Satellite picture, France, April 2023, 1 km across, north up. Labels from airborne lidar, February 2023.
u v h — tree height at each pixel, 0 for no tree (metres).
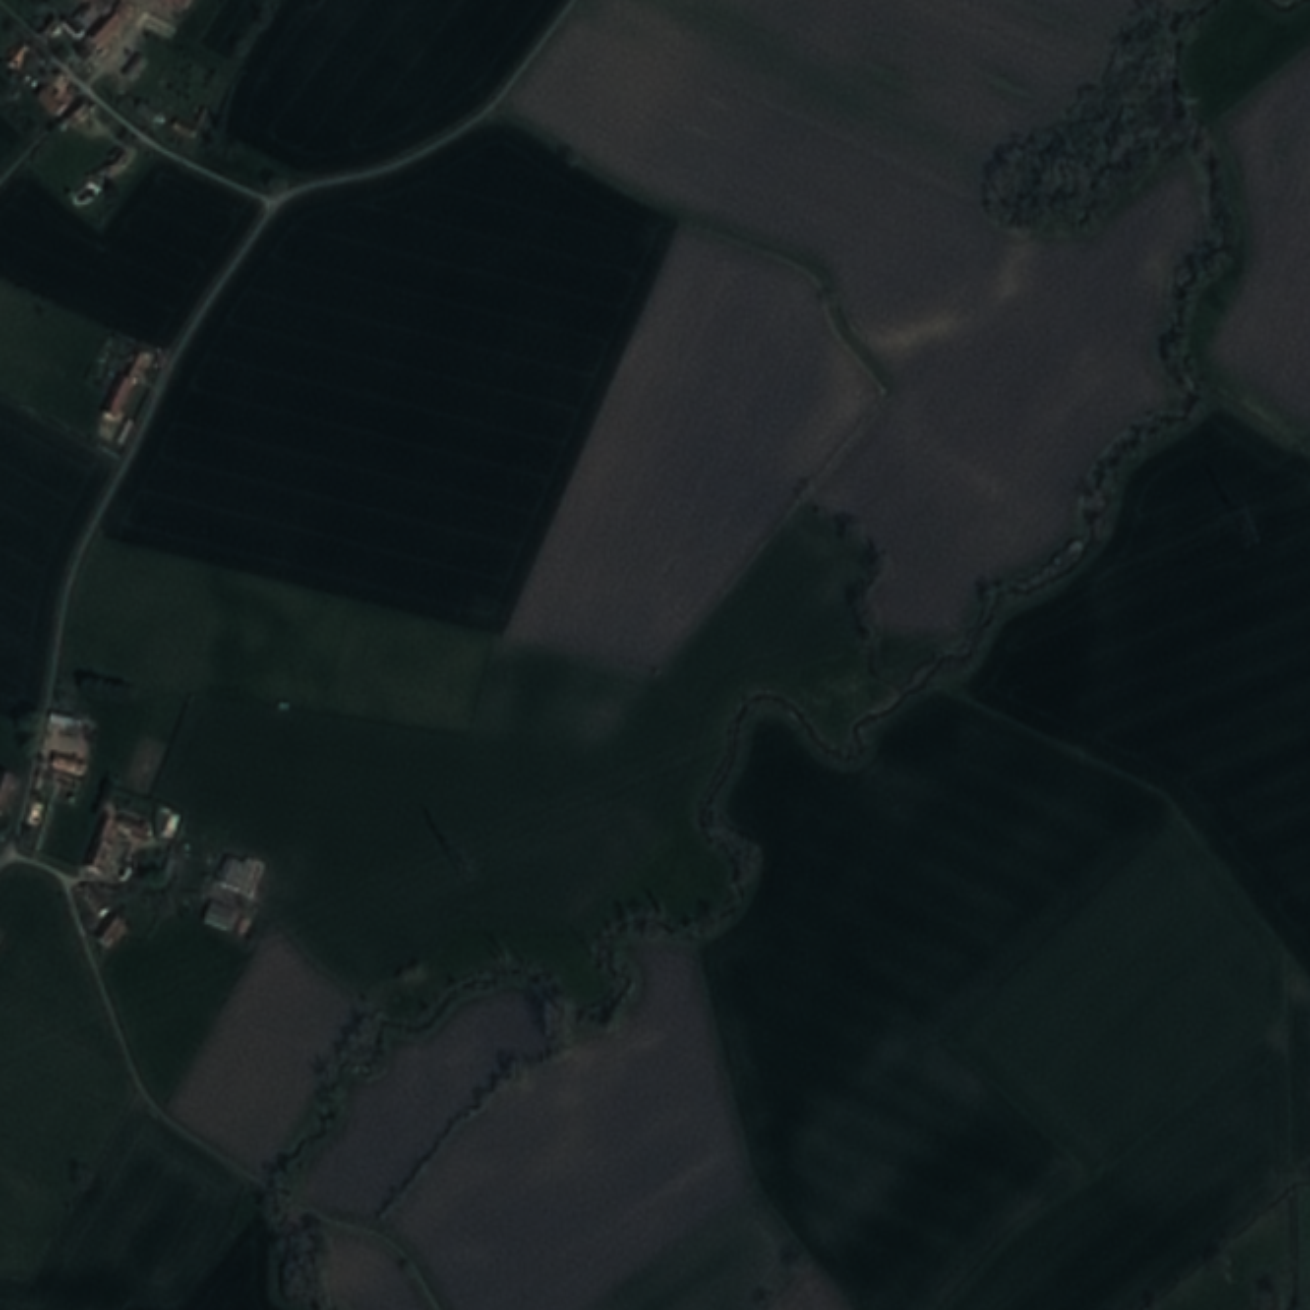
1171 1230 0
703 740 0
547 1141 0
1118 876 0
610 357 0
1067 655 0
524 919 0
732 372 0
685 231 0
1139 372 0
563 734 0
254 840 0
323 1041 0
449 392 0
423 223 0
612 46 0
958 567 0
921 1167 0
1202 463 0
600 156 0
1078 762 0
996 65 0
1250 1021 0
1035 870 0
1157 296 0
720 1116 0
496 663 0
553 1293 0
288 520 0
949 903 0
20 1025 0
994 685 0
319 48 0
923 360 0
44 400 0
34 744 17
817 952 0
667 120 0
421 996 0
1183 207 0
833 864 0
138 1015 0
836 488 0
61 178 0
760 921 0
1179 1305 0
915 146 0
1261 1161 0
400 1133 0
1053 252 0
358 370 0
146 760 0
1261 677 0
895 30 0
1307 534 0
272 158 0
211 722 0
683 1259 0
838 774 0
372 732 0
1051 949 0
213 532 0
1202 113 0
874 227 0
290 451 0
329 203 0
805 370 0
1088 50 0
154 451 0
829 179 0
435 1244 0
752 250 0
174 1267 0
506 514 0
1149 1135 0
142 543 0
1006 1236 0
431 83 0
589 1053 0
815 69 0
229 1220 0
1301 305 0
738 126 0
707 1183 0
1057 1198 0
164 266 0
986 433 0
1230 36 0
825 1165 0
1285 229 0
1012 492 0
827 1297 0
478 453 0
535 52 0
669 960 0
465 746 0
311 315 0
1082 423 0
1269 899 0
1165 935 0
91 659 0
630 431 0
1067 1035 0
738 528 0
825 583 0
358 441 0
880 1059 0
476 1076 0
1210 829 0
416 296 0
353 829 0
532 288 0
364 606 0
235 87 0
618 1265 0
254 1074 0
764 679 0
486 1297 0
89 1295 0
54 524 0
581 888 0
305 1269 27
